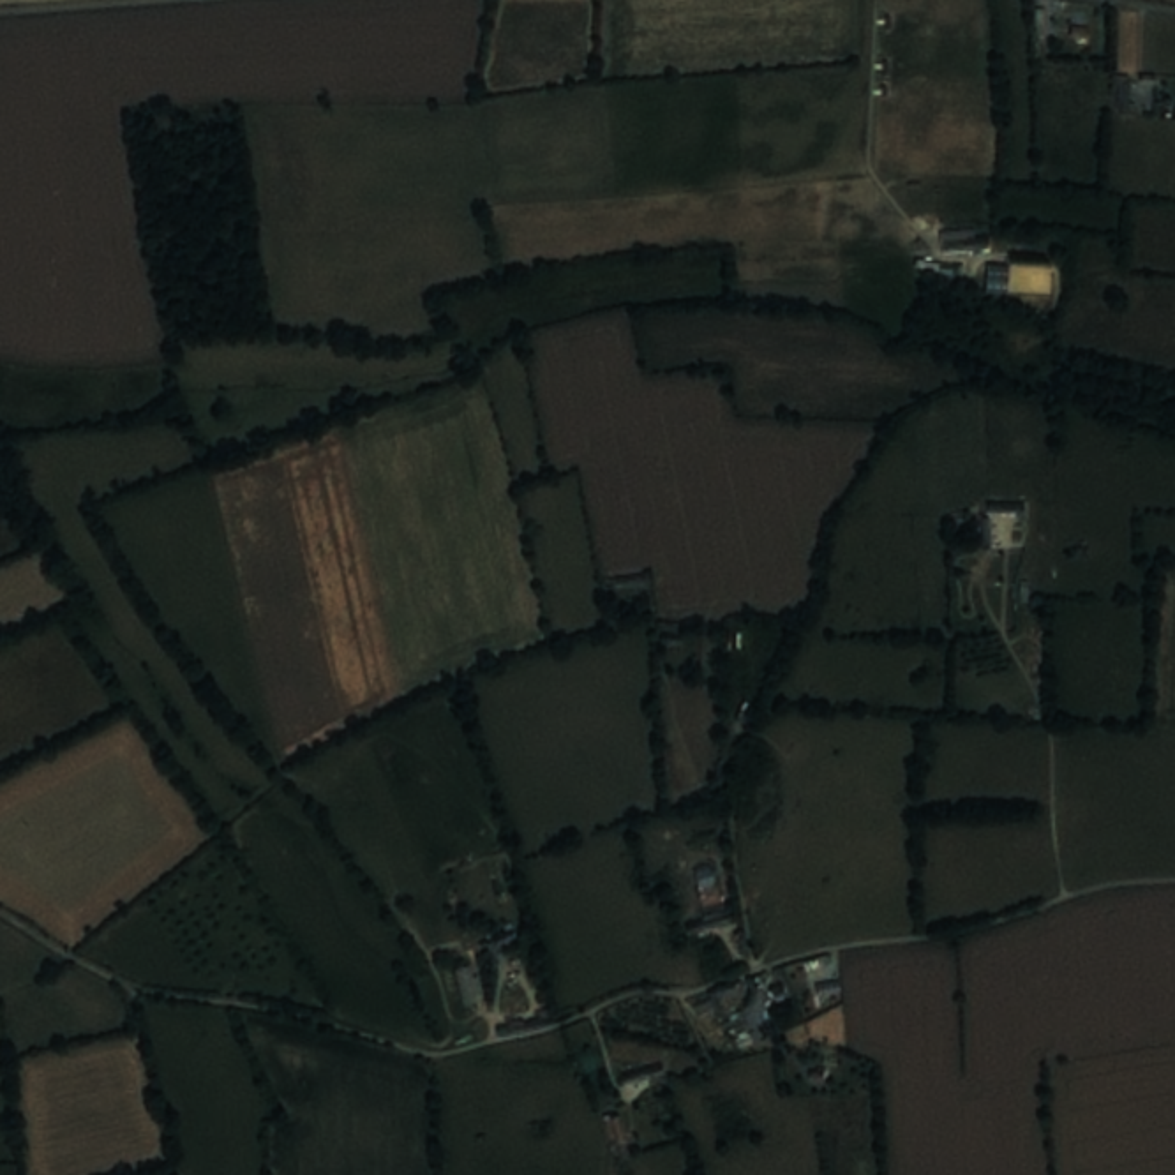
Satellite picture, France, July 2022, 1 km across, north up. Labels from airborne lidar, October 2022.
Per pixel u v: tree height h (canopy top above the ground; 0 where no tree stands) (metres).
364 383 0
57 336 0
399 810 0
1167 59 0
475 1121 0
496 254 12
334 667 0
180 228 23
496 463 0
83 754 0
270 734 0
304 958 10
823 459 0
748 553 0
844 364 0
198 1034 0
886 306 0
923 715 7
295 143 0
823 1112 0
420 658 0
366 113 0
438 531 0
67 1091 0
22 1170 10
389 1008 0
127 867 0
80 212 0
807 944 0
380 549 0
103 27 0
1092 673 0
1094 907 0
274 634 0
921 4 0
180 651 17
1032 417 0
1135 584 0
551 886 0
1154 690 14
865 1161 0
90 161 0
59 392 0
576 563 0
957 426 0
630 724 0
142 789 0
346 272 0
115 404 0
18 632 16
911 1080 0
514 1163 0
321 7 0
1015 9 0
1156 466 0
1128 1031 0
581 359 0
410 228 0
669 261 11
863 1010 0
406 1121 0
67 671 0
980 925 13
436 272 0
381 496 0
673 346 0
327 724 0
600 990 0
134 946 0
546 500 0
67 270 0
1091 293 0
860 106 0
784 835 0
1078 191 10
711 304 10
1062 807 0
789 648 15
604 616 7
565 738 0
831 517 13
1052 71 0
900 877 0
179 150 16
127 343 0
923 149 0
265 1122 6
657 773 12
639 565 0
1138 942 0
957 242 0
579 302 0
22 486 28
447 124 0
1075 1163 0
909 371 0
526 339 16
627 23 0
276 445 8
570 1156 0
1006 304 14
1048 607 11
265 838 0
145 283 0
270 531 0
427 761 0
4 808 0
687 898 0
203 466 20
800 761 0
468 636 0
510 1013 0
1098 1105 0
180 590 0
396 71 0
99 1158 0
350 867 10
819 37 0
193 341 23
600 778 0
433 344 7
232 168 18
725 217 0
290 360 0
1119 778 0
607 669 0
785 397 0
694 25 0
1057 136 0
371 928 0
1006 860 0
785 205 0
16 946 0
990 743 0
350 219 0
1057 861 0
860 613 0
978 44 0
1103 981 0
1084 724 8
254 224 11
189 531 0
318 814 14
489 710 0
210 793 0
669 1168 0
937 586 0
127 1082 0
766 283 0
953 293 10
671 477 0
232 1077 0
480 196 0
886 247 0
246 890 7
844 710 5
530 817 0
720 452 0
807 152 0
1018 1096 0
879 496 0
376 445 0
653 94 0
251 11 0
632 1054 0
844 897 0
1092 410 10
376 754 0
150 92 0
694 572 0
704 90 0
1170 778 0
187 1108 0
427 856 0
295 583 0
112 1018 0
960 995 10
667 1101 10
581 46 0
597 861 0
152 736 15
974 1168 0
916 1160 0
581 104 0
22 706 0
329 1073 0
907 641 14
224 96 0
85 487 0
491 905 0
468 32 0
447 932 0
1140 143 0
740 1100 0
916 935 6
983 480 0
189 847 0
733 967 7
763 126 0
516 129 0
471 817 0
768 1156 0
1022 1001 0
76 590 20
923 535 0
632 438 0
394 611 0
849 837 0
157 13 0
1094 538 0
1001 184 12
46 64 0
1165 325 0
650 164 0
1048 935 0
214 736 0
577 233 0
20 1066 14
